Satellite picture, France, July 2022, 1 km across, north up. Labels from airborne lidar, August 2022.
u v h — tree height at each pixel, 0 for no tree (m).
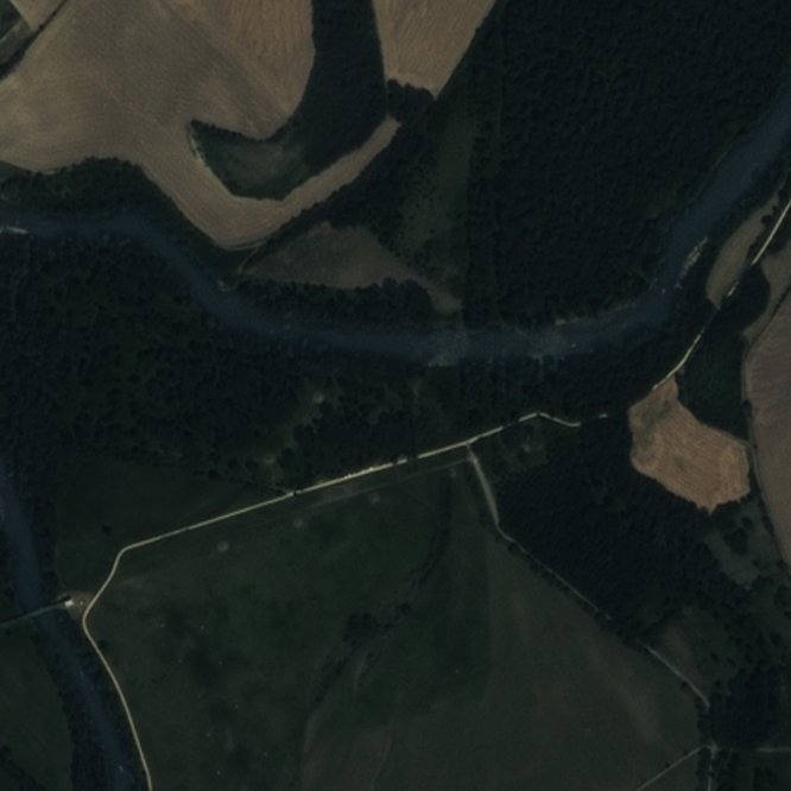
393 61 0
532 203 20
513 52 17
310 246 0
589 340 0
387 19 0
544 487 10
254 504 0
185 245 19
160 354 12
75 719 21
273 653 0
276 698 0
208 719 0
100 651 13
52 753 0
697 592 12
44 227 0
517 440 25
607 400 16
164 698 0
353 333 0
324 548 0
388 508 0
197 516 0
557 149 12
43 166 0
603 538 12
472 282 7
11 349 27
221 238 0
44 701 0
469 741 0
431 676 0
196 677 0
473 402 18
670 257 0
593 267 15
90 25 0
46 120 0
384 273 0
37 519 27
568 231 13
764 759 0
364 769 0
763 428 0
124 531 0
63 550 0
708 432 0
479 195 15
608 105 16
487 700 0
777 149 0
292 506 0
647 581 8
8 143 0
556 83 18
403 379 28
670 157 14
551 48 17
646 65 14
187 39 0
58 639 0
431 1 0
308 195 0
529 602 0
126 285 17
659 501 18
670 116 16
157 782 0
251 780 0
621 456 13
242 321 0
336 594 0
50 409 25
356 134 12
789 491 0
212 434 6
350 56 11
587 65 16
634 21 13
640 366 21
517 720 0
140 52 0
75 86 0
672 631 0
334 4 7
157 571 0
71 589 0
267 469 0
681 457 0
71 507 0
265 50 0
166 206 12
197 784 0
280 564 0
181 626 0
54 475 26
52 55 0
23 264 22
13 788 0
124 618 0
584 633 0
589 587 9
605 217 17
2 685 0
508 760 0
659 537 22
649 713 0
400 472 0
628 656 0
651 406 0
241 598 0
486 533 0
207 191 0
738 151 0
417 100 11
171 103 0
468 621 0
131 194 12
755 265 7
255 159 0
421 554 0
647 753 0
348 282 0
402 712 0
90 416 18
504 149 13
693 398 10
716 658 17
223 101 0
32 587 0
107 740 0
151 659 0
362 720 0
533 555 11
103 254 14
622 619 16
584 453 17
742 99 14
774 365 0
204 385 24
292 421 0
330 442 25
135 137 0
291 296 31
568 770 0
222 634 0
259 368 15
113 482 0
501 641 0
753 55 14
